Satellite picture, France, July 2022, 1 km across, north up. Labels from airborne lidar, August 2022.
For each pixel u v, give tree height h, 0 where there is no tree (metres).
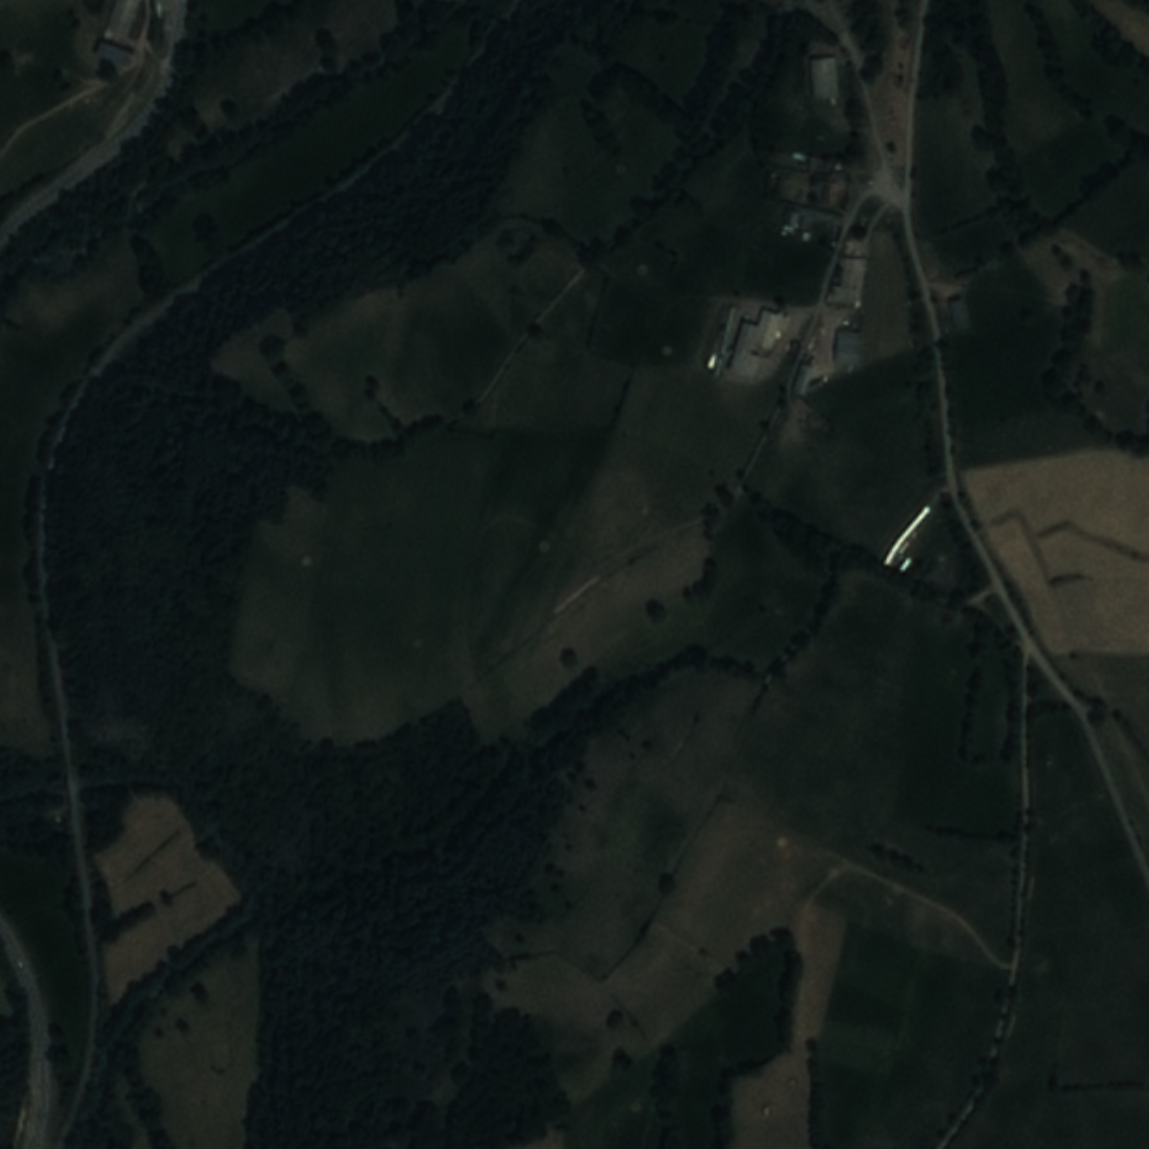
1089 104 7
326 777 7
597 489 0
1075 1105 0
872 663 0
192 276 0
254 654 0
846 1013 0
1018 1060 0
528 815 14
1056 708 10
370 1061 12
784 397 9
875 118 0
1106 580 0
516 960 5
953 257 0
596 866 0
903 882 0
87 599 6
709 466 0
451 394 0
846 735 0
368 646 0
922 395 10
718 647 0
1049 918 0
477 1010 11
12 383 0
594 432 0
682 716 0
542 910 11
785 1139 0
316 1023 7
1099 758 0
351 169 8
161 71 0
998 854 0
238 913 15
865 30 8
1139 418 0
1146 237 0
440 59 0
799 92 0
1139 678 0
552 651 0
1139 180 0
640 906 0
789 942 13
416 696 0
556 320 0
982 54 21
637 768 0
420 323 0
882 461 0
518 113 12
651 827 0
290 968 18
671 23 13
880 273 0
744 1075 12
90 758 7
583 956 0
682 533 0
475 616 0
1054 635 0
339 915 22
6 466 0
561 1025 0
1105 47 15
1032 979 0
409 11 18
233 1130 0
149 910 8
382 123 0
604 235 0
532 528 0
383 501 0
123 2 0
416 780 10
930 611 0
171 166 20
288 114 8
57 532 15
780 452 0
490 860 29
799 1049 0
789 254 0
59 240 17
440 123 20
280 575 0
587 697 19
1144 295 0
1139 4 16
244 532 9
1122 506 0
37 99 0
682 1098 0
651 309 0
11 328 7
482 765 19
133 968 0
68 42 0
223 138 21
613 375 0
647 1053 0
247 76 0
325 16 0
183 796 14
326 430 18
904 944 0
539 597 0
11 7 0
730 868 0
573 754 19
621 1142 0
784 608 0
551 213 0
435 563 0
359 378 0
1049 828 0
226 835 17
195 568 8
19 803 13
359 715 0
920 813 0
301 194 0
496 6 8
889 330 0
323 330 0
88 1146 16
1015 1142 0
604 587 0
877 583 0
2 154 0
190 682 6
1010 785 0
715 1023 0
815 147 0
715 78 22
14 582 0
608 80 17
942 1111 0
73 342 0
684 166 12
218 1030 0
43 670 7
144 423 8
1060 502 0
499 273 0
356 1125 15
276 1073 19
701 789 0
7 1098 6
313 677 0
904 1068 0
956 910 0
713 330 0
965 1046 0
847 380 0
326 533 0
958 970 0
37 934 0
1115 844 0
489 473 0
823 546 16
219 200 0
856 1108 0
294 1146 19
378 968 20
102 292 0
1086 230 0
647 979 0
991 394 0
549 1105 11
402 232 15
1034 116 0
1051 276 0
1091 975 0
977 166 0
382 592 0
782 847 0
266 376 0
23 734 0
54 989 0
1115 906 0
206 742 6
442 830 15
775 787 0
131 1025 17
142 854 0
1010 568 0
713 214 0
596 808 0
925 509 0
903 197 0
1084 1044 0
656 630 0
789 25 16
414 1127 16
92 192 17
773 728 0
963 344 0
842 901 0
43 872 0
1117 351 0
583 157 0
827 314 0
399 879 26
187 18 8
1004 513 0
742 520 0
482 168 17
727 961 0
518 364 0
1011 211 15
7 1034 18
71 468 7
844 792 0
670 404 0
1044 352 0
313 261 9
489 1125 17
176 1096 0
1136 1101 0
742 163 0
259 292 6
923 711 0
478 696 0
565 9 11
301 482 13
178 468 13
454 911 17
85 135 0
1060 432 0
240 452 10
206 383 11
